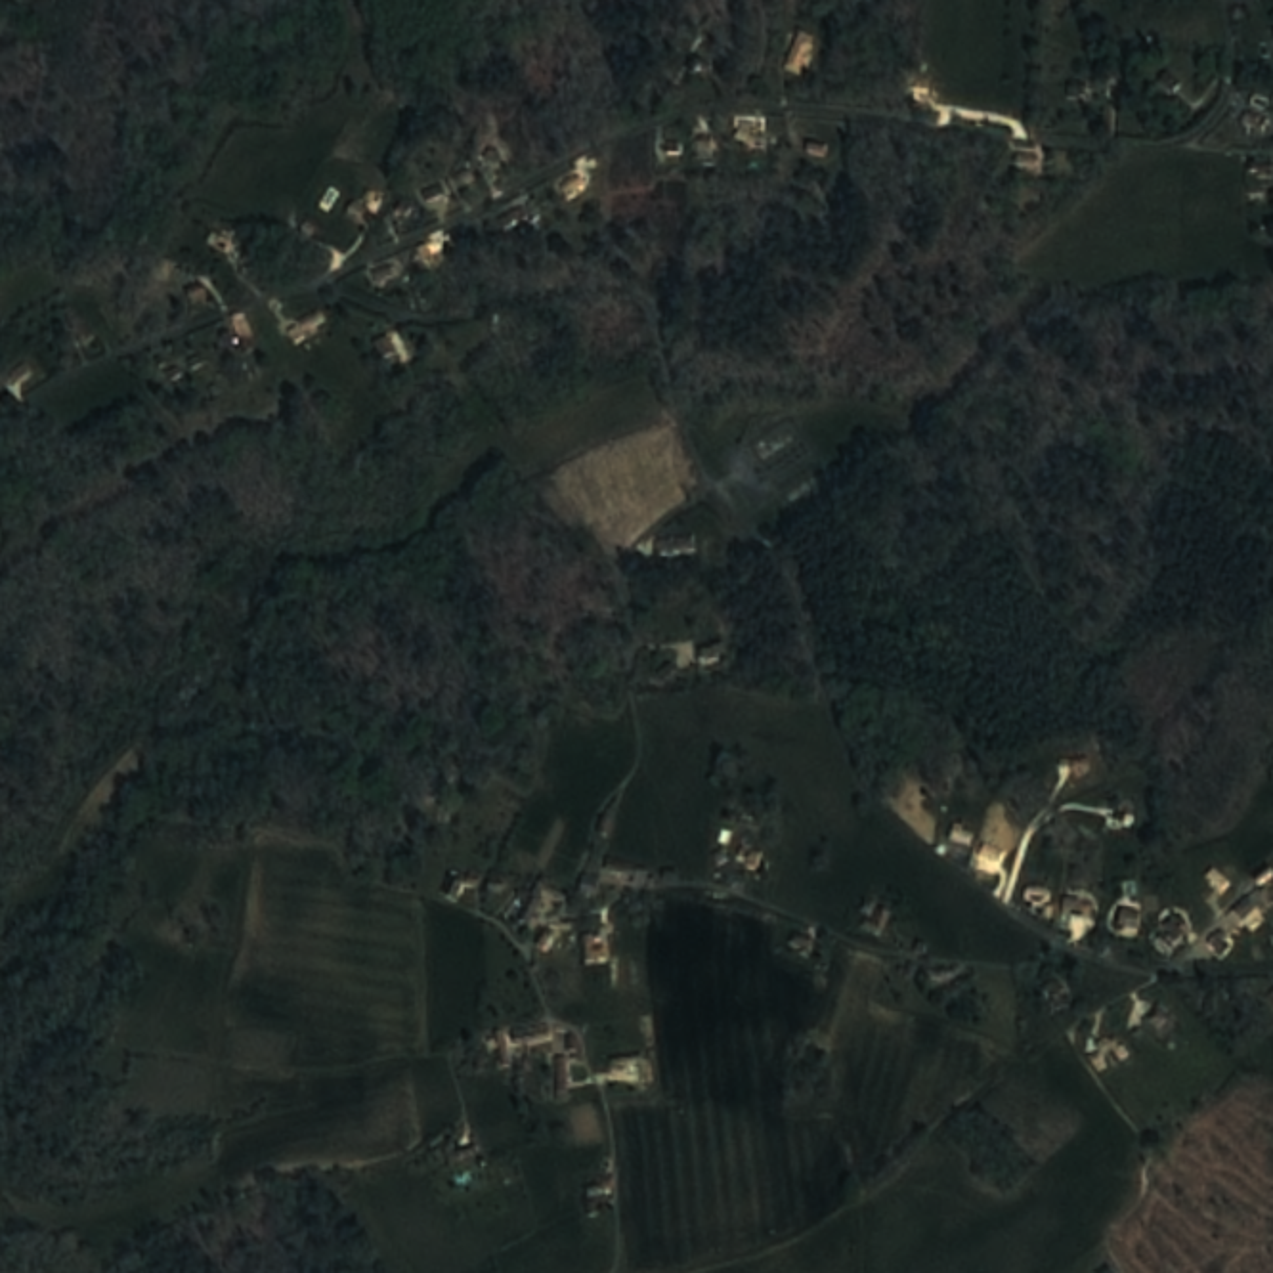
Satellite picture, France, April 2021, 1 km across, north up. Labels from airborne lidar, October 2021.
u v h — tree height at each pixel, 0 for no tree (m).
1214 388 15
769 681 18
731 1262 0
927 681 19
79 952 24
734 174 8
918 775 17
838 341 6
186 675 22
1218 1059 0
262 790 23
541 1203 0
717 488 0
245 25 15
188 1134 12
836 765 0
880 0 11
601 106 13
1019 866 0
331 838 14
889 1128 0
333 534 16
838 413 0
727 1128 0
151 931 0
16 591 25
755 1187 0
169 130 15
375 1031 0
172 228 21
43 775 30
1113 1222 0
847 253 24
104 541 16
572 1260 0
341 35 17
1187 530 23
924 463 15
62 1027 10
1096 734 13
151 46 12
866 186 15
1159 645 13
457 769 13
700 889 0
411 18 19
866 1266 0
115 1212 0
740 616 23
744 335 26
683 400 21
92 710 20
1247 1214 0
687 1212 0
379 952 0
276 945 0
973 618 12
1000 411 19
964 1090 0
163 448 16
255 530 17
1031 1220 0
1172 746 18
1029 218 15
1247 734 18
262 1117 10
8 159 14
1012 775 8
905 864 0
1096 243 0
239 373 15
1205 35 0
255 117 17
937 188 16
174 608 15
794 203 20
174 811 14
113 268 17
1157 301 18
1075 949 0
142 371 13
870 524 32
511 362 20
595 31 14
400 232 12
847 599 17
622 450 0
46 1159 12
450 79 19
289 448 20
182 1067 0
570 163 13
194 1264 18
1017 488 20
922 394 6
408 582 26
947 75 0
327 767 24
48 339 8
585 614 11
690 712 0
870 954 0
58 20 8
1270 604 14
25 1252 16
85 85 18
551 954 0
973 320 16
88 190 10
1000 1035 0
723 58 19
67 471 18
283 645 17
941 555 25
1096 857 7
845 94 17
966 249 12
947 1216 0
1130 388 12
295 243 16
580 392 24
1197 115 8
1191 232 0
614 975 0
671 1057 0
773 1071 0
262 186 0
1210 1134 0
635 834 0
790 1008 0
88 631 23
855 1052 0
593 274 17
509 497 20
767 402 21
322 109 0
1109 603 25
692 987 0
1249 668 15
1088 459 17
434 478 16
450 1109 0
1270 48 0
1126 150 14
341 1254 13
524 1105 10
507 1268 0
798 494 0
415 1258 0
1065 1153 0
